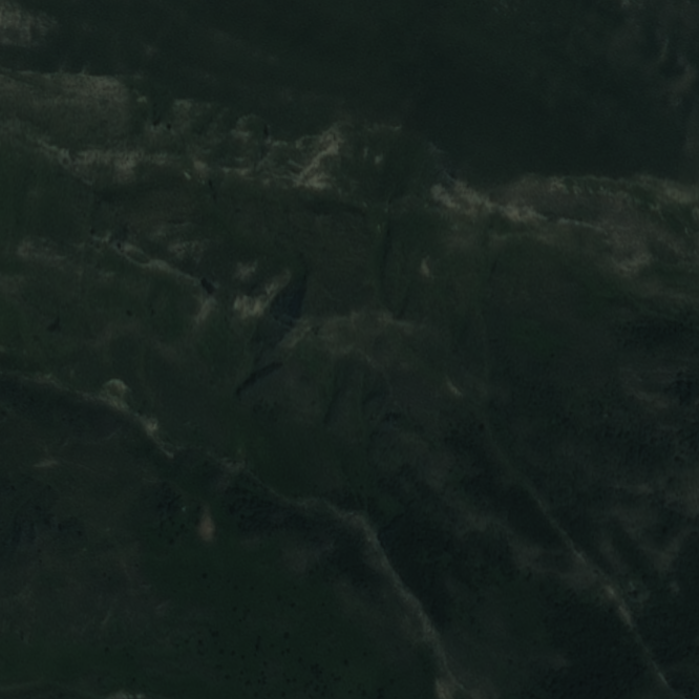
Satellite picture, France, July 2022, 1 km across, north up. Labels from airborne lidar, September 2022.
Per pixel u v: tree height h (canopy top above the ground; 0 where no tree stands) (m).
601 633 9
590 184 0
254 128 0
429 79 0
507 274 0
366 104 0
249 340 0
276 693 0
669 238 0
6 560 0
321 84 0
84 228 0
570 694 11
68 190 0
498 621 0
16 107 0
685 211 0
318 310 0
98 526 0
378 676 0
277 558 0
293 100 0
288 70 0
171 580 0
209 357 0
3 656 0
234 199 0
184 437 0
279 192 0
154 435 0
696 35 0
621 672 11
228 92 0
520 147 0
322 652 0
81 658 0
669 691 0
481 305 0
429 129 0
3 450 0
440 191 0
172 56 0
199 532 0
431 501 7
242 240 0
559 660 0
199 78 0
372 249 0
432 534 7
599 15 0
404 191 0
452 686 0
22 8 0
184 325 0
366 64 0
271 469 0
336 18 0
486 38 0
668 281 0
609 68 0
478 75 0
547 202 0
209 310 0
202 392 0
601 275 0
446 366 0
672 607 7
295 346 0
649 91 0
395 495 8
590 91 0
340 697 0
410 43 0
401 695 0
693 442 8
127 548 0
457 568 7
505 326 0
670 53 0
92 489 0
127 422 0
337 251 0
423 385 0
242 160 0
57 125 0
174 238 0
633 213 0
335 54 0
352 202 0
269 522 5
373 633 0
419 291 0
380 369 0
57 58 0
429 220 0
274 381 0
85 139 0
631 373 0
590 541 12
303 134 0
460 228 0
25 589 0
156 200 0
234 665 0
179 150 0
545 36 0
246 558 0
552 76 0
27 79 0
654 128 0
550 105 0
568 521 9
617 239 0
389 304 0
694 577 5
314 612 0
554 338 0
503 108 0
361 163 0
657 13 0
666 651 12
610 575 10
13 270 0
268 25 0
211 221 0
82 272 0
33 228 0
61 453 0
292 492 0
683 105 0
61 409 0
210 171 0
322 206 0
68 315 0
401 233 0
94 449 0
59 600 0
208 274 0
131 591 0
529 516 11
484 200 0
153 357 0
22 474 0
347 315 0
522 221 0
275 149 0
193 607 0
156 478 0
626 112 0
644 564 9
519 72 0
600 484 6
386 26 0
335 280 0
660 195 0
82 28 0
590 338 0
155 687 0
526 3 0
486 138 0
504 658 0
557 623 8
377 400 0
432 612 7
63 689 0
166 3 0
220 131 0
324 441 0
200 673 0
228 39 0
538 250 0
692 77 0
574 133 0
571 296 0
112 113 0
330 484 0
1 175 0
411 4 0
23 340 0
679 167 0
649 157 0
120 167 0
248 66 0
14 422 0
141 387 0
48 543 0
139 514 0
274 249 0
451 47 0
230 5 0
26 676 0
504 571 6
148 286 0
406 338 0
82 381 0
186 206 0
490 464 7
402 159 0
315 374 0
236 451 0
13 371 0
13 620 0
